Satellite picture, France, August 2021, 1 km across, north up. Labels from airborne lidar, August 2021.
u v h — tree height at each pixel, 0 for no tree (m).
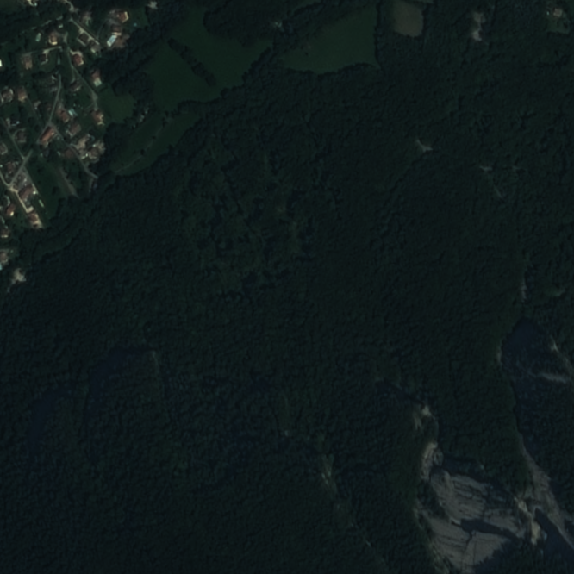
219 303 25
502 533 0
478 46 18
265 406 18
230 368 27
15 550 29
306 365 26
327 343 21
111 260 16
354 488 22
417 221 25
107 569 23
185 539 28
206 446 14
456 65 21
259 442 18
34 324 31
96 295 24
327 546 25
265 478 28
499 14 18
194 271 24
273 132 14
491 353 22
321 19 22
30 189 0
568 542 0
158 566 27
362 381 18
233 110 11
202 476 12
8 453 38
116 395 20
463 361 22
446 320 21
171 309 25
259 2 18
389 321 25
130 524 23
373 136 19
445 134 15
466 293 24
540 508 0
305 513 21
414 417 6
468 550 0
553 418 16
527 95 20
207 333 23
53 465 20
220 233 21
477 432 30
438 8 18
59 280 25
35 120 8
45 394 26
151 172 11
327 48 0
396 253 27
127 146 22
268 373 23
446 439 17
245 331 23
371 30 0
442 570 15
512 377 14
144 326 22
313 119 18
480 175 22
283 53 18
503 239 24
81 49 8
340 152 20
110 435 24
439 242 20
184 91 0
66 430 11
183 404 14
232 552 27
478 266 25
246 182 20
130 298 26
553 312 16
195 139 9
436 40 18
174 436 18
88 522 26
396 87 19
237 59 0
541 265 17
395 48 16
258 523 23
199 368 25
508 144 19
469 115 21
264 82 19
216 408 15
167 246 15
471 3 20
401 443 20
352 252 23
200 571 26
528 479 12
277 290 18
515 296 22
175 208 18
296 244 22
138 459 26
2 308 17
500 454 26
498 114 19
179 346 23
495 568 9
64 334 35
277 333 27
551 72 23
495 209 23
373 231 22
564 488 13
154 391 13
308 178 18
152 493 30
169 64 0
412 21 0
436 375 18
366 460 27
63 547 22
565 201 23
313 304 23
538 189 24
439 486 0
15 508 30
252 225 23
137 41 26
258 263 16
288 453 18
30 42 10
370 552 10
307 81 18
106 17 7
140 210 24
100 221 10
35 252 21
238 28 20
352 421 25
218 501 22
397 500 10
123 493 32
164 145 0
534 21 20
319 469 10
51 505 25
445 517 5
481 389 24
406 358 21
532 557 11
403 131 18
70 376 35
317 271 18
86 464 24
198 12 0
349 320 24
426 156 15
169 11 15
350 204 18
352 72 20
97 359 31
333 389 25
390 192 14
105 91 5
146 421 23
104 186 17
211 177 21
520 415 17
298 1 17
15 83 14
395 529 22
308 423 25
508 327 21
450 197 25
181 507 21
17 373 31
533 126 19
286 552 20
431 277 27
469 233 30
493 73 18
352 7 20
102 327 27
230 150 20
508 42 18
